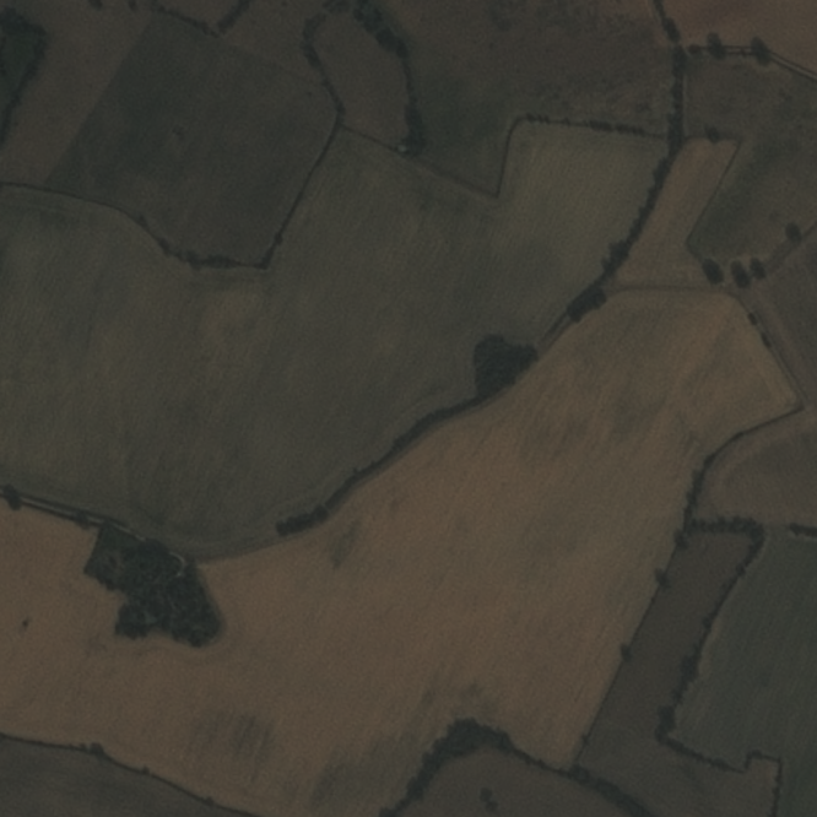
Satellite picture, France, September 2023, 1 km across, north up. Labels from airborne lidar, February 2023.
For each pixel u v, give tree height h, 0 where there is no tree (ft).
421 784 39
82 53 0
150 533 0
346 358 0
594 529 0
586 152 0
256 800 0
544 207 0
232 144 0
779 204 0
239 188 0
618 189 0
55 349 0
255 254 0
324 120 0
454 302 0
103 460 0
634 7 0
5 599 0
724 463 0
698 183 0
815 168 0
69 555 0
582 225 0
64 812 0
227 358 0
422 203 0
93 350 0
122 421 0
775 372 0
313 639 0
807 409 0
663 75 0
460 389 0
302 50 0
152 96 0
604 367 0
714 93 0
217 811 0
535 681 0
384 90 0
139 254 0
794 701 0
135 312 0
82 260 0
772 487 0
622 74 0
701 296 0
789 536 0
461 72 0
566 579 0
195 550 0
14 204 0
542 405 0
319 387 0
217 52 0
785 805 0
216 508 0
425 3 0
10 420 0
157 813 0
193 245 0
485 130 0
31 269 0
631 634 0
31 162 0
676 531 0
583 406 0
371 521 0
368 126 0
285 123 0
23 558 0
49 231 0
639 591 0
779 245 0
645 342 0
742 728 0
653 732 0
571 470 0
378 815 0
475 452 0
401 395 0
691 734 0
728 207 0
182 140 37
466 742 34
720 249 0
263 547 0
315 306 0
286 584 0
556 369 0
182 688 0
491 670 0
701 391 0
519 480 0
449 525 0
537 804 0
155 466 0
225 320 0
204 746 0
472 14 0
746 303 0
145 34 0
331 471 0
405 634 0
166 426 0
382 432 0
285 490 0
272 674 0
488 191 0
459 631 0
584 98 0
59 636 0
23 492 0
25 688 0
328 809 0
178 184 0
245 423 0
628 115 0
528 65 0
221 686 0
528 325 0
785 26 0
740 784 0
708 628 29
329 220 0
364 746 0
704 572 0
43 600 0
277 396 0
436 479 0
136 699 0
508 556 0
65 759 0
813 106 0
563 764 0
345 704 0
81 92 0
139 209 0
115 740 0
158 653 0
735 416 0
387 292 0
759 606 0
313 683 0
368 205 0
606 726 0
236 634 0
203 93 0
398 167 0
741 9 0
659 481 0
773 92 0
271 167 0
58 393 0
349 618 0
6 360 0
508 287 0
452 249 0
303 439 0
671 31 61
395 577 0
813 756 0
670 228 0
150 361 0
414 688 0
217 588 0
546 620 0
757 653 0
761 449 0
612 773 0
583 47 0
